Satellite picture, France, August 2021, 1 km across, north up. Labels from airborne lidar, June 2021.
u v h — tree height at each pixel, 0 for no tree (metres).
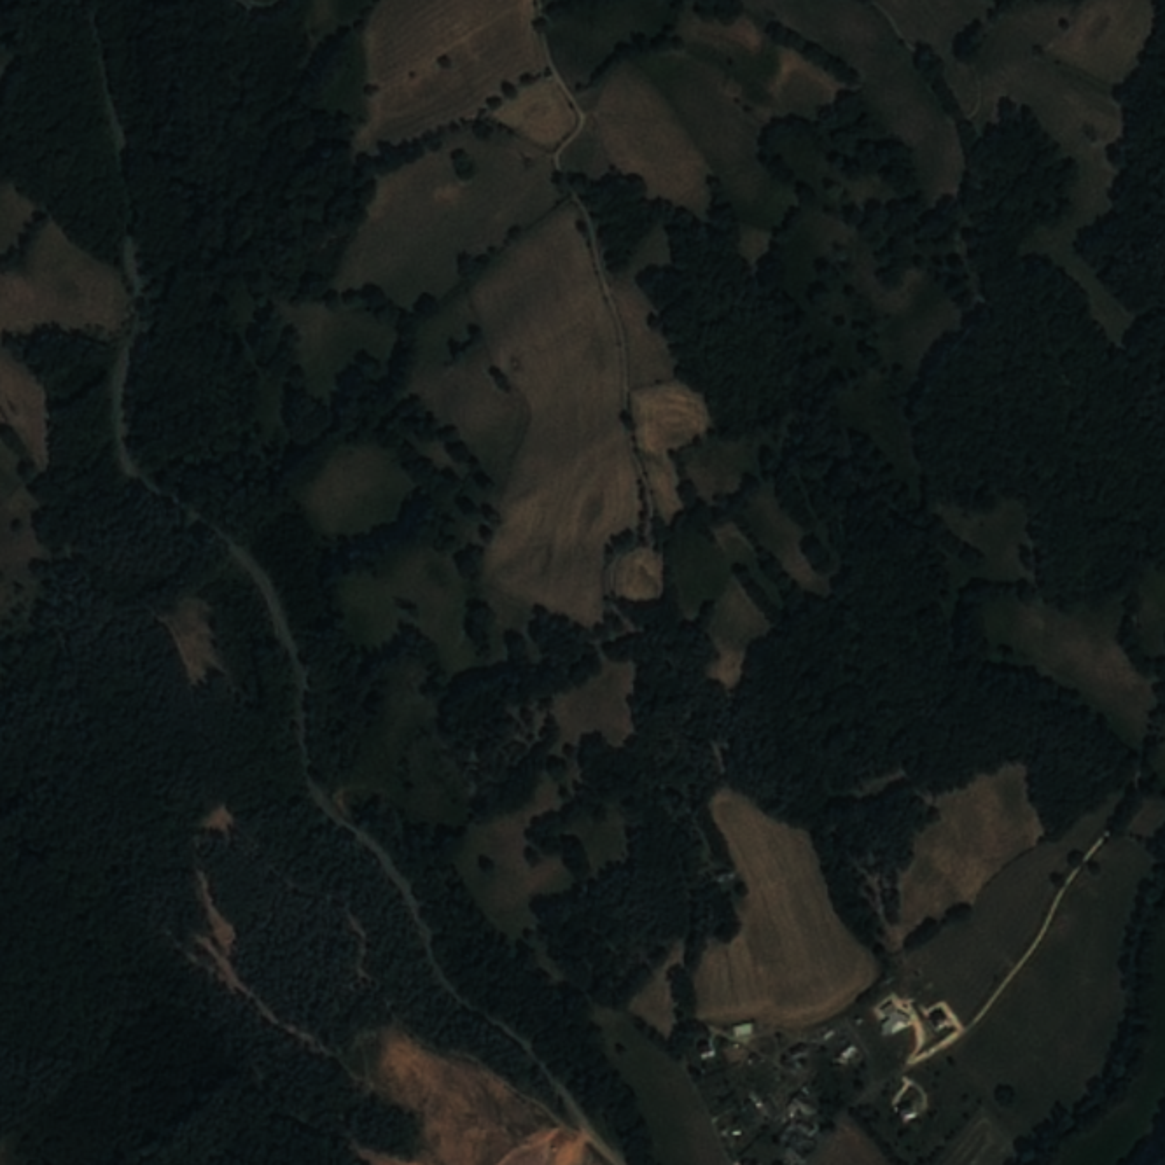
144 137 23
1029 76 0
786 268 12
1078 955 0
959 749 21
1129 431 26
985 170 16
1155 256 22
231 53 15
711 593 0
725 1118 0
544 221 0
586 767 17
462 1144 0
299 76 14
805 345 19
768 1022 0
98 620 20
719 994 0
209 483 27
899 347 0
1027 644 0
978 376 23
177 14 15
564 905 16
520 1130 0
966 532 0
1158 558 20
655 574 0
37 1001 18
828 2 0
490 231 0
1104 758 17
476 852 0
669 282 16
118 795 25
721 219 23
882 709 17
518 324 0
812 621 24
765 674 17
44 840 27
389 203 0
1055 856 0
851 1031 0
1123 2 0
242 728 19
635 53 12
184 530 20
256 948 15
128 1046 8
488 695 18
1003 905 0
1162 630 0
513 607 0
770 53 0
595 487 0
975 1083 0
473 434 0
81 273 0
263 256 15
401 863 21
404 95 0
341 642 26
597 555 0
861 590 18
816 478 17
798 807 16
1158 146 18
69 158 22
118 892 18
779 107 0
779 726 19
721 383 14
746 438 9
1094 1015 0
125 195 25
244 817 18
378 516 0
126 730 25
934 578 17
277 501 29
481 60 0
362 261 0
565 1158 0
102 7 22
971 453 23
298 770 20
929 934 15
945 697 14
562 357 0
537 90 0
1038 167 17
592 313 0
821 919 0
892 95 0
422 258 0
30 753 18
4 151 20
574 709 0
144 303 12
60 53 18
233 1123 23
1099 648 0
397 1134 18
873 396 0
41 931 21
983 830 0
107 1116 8
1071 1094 0
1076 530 23
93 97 24
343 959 15
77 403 20
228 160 20
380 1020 11
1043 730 21
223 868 16
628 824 18
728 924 24
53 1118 7
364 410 19
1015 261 21
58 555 17
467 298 0
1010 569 0
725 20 20
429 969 13
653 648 13
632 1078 0
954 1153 0
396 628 0
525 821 0
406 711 0
